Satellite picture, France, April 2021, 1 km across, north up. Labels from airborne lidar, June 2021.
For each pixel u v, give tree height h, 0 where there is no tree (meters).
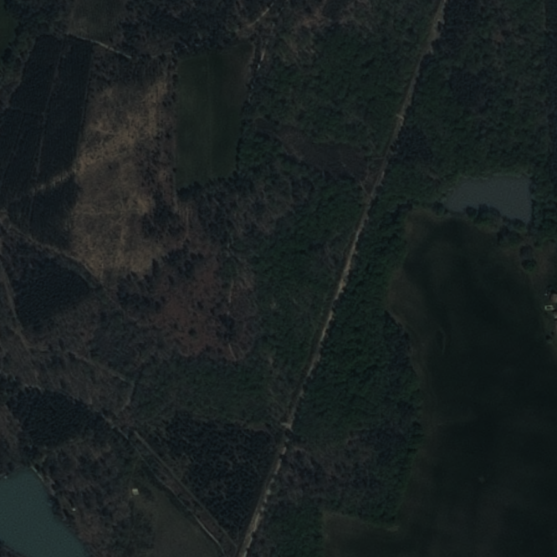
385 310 13
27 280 16
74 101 8
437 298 0
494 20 12
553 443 0
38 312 17
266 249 17
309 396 16
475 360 0
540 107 17
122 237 0
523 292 0
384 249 15
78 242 0
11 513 0
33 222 10
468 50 18
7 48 0
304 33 16
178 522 0
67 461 21
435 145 18
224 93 0
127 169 0
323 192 19
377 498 18
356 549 0
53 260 8
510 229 14
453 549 0
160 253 0
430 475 0
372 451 9
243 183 18
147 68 6
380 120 20
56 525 0
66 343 11
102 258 0
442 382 0
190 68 0
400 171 18
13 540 0
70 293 19
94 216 0
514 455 0
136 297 11
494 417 0
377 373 19
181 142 0
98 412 8
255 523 0
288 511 21
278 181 20
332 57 21
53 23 9
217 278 10
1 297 14
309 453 12
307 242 21
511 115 22
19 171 10
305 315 17
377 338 24
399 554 0
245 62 0
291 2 11
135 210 0
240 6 15
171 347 15
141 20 12
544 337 0
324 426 18
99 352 10
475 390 0
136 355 14
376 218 15
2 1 0
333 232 17
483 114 17
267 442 8
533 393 0
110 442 12
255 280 13
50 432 19
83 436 10
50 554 0
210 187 12
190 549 0
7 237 15
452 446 0
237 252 13
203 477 10
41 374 10
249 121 17
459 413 0
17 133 9
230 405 15
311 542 21
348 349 17
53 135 8
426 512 0
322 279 14
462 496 0
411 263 0
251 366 14
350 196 21
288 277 19
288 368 16
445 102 25
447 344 0
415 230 0
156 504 0
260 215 20
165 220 8
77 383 11
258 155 12
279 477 11
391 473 17
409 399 15
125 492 9
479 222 19
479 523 0
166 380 16
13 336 10
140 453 13
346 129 18
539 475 0
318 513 18
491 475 0
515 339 0
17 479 0
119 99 0
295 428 11
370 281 22
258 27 12
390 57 18
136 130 0
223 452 8
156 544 0
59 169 6
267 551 12
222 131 0
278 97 21
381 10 18
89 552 7
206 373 16
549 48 16
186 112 0
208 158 0
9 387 12
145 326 6
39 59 12
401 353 20
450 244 0
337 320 16
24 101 10
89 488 12
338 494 15
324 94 25
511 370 0
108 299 9
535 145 21
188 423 6
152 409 17
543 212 19
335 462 11
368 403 19
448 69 20
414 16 23
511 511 0
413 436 17
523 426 0
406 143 21
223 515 9
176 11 11
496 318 0
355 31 19
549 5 7
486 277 0
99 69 14
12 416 17
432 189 19
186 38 10
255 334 19
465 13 20
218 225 12
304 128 14
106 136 0
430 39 0
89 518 6
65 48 9
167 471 11
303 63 14
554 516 0
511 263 0
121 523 11
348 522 0
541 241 19
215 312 10
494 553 0
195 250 12
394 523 15
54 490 6
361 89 24
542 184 22
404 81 17
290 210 14
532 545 0
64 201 7
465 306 0
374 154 9
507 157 21
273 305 19
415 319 0
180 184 0
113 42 13
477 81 17
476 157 20
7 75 19
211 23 19
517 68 16
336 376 20
